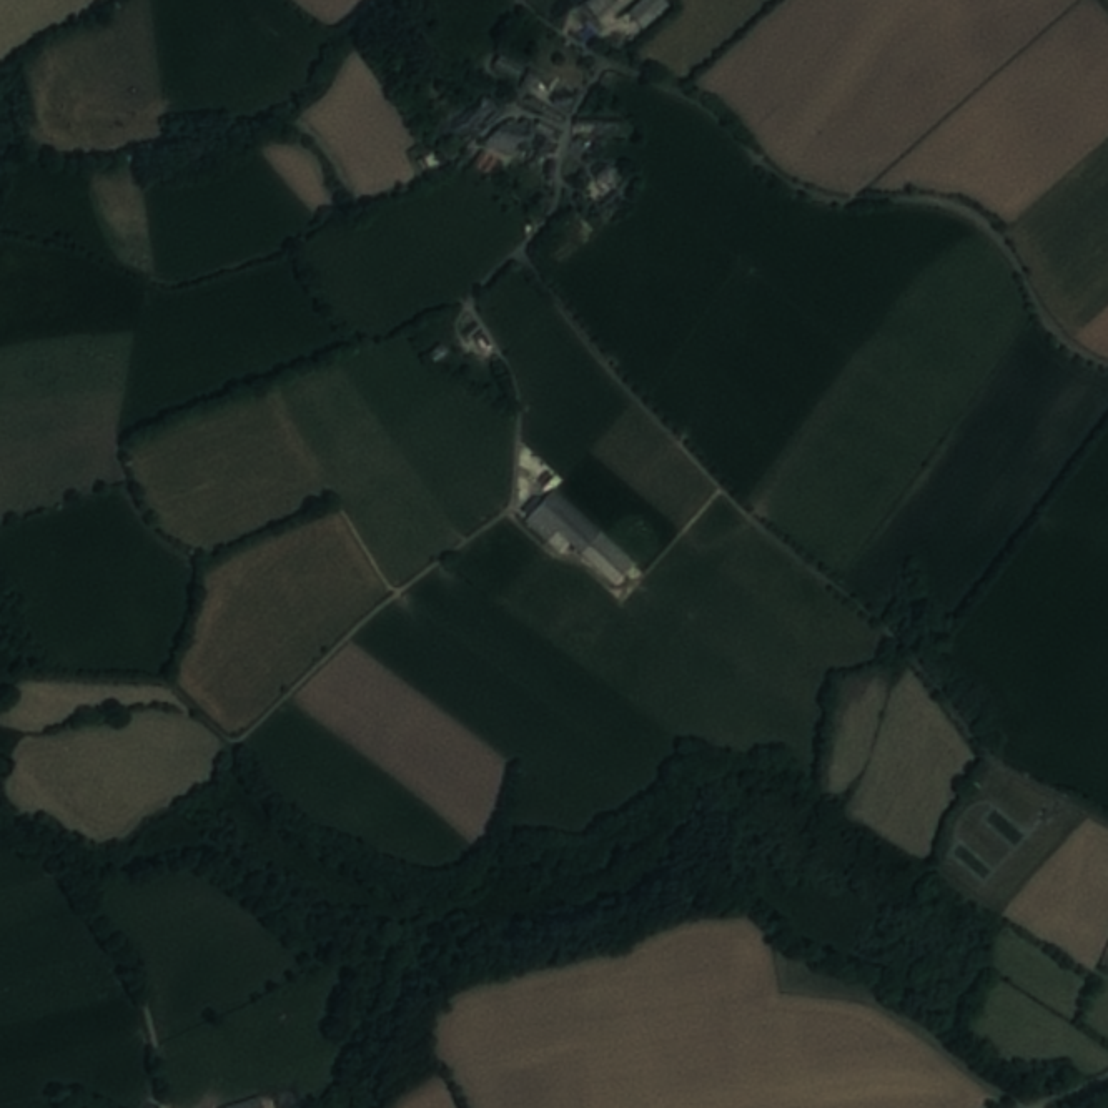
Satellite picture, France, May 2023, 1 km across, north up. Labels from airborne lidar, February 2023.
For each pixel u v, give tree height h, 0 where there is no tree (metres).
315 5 0
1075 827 0
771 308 0
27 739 0
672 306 0
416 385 0
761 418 0
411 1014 23
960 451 0
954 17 0
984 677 0
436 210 0
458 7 0
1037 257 0
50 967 0
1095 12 0
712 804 23
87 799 0
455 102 7
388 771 0
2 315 0
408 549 0
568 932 29
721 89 0
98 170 16
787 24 0
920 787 0
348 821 0
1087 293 0
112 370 0
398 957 19
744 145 13
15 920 0
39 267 0
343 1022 16
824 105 0
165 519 0
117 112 0
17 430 0
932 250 0
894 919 12
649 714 0
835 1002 0
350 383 0
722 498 0
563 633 0
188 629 9
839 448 0
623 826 19
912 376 0
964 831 0
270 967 0
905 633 11
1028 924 0
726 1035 0
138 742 0
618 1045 0
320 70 14
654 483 0
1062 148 0
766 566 0
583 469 0
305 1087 0
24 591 0
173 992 0
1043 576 0
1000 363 0
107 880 11
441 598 0
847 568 0
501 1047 0
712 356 0
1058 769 0
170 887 0
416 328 9
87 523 0
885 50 0
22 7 0
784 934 23
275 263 8
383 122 0
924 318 0
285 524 9
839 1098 0
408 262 0
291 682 0
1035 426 0
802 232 0
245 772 17
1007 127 0
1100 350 0
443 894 21
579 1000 0
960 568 0
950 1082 0
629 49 8
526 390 0
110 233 0
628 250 0
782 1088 0
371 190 0
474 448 0
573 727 0
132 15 0
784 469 0
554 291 7
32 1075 0
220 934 0
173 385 0
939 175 0
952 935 6
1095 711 0
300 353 0
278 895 24
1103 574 0
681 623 0
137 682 9
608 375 0
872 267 0
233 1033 0
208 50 0
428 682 0
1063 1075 16
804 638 0
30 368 0
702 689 0
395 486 0
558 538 0
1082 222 0
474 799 0
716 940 0
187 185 17
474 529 0
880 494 0
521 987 0
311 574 0
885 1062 0
